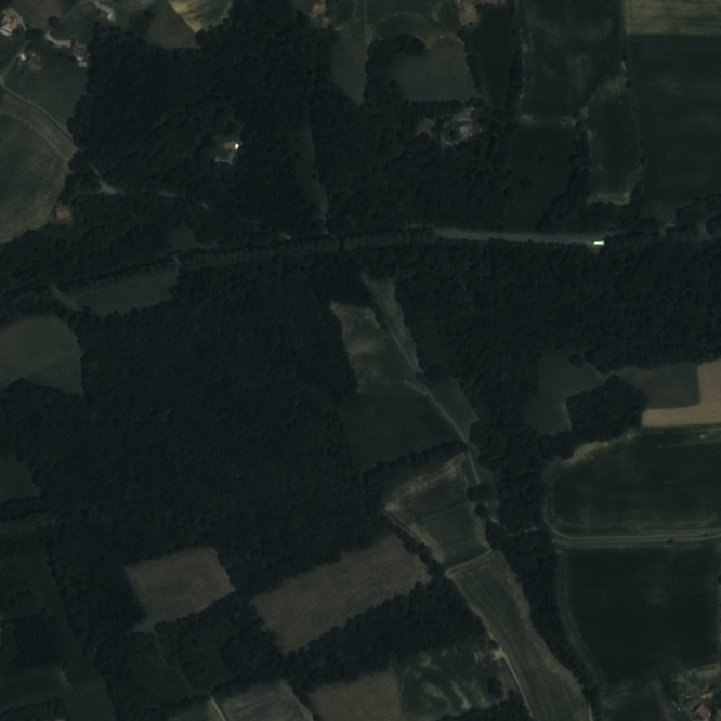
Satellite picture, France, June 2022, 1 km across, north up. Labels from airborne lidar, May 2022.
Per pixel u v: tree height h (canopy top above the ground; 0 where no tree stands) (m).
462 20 0
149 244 31
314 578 0
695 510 0
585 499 0
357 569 0
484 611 0
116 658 25
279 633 0
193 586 0
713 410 0
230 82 20
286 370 20
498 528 15
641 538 0
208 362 23
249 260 25
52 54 0
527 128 0
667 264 24
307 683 19
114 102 24
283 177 20
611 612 0
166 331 22
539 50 0
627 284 14
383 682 0
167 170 6
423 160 20
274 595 0
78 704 0
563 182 0
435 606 17
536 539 19
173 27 0
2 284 6
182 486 17
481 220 21
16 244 12
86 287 30
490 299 18
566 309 19
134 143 24
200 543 9
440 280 10
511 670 0
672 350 21
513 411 19
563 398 0
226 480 19
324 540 23
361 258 23
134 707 25
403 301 18
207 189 23
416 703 0
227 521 21
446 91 0
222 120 18
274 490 19
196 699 9
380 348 0
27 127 0
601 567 0
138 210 17
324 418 20
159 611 0
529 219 0
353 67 0
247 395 21
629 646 0
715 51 0
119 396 19
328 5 9
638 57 0
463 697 0
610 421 23
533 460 20
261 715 0
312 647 17
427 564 16
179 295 23
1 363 0
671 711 0
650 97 0
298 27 14
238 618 21
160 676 20
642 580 0
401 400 0
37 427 26
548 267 15
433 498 0
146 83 20
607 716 0
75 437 19
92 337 20
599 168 0
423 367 14
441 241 18
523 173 0
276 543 18
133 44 26
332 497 20
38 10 0
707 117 0
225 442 19
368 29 0
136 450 19
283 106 23
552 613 18
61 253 14
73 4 11
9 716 8
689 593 0
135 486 13
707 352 8
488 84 0
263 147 21
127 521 20
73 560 24
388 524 10
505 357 13
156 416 17
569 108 0
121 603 18
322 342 23
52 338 0
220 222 22
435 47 0
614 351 18
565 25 0
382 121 23
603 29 0
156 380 19
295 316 25
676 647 0
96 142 20
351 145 24
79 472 25
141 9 0
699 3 0
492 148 18
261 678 23
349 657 23
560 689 0
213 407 16
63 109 0
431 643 21
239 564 15
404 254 23
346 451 11
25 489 0
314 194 0
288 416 22
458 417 0
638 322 15
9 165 0
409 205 18
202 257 28
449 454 16
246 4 22
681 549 0
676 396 0
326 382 25
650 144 0
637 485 0
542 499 16
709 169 0
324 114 19
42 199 0
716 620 0
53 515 27
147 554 11
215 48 24
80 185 15
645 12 0
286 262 27
